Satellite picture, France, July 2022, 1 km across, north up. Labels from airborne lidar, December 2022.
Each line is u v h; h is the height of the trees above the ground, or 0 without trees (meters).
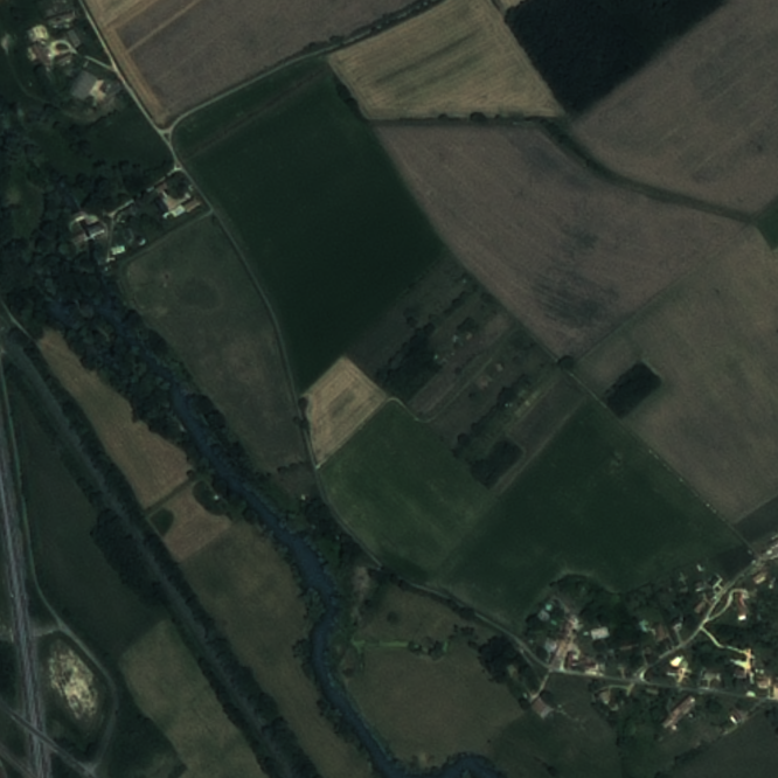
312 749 0
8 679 13
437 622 0
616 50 21
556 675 0
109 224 10
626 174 0
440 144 0
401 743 0
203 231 0
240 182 0
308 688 0
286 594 0
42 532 0
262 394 0
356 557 18
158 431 17
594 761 0
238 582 0
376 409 0
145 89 0
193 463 14
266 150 0
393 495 0
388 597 0
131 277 0
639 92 0
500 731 0
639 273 0
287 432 0
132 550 30
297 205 0
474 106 0
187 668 0
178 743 0
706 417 0
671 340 0
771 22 0
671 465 0
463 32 0
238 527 0
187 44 0
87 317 16
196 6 0
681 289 0
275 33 0
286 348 0
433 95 0
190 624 0
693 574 0
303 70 0
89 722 0
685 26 11
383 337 0
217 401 0
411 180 0
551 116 0
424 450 0
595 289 0
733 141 0
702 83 0
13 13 10
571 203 0
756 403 0
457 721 0
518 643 0
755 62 0
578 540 0
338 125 0
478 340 0
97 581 0
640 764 0
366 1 0
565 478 0
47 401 0
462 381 0
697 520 0
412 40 0
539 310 0
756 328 0
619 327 0
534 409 0
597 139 0
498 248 0
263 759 8
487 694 0
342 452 0
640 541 0
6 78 0
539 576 0
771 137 0
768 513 0
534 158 0
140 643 0
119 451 0
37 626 0
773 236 0
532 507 0
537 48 16
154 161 0
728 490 0
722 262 0
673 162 0
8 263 33
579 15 21
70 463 6
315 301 0
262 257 0
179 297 0
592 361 0
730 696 0
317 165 0
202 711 0
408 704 0
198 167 0
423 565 0
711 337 0
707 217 0
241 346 0
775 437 0
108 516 15
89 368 18
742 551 0
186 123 0
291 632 0
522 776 0
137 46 0
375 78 0
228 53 0
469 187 0
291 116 0
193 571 0
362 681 0
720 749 0
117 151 0
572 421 0
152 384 20
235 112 0
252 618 0
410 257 0
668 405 0
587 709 0
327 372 0
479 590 0
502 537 0
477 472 7
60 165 0
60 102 9
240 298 0
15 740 0
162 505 0
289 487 0
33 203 0
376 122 0
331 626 0
